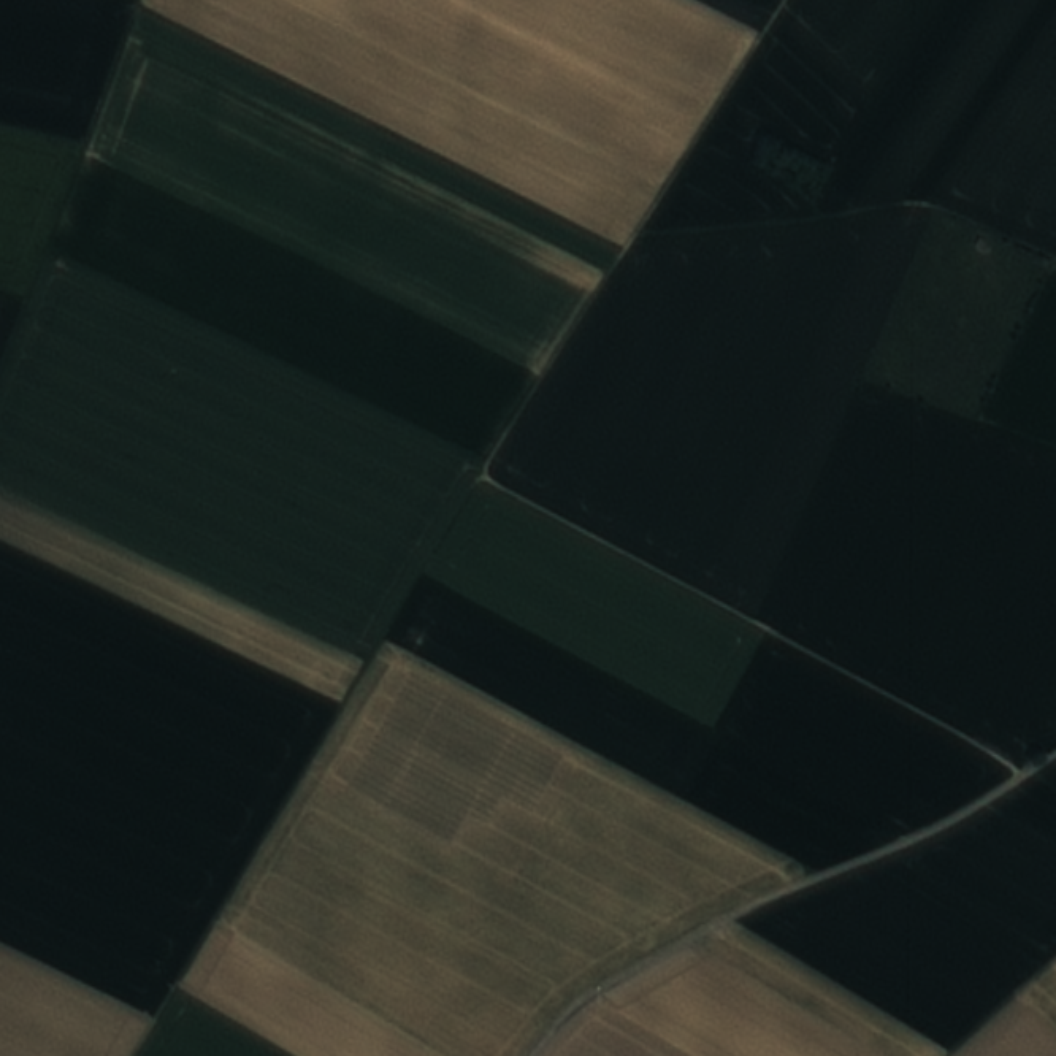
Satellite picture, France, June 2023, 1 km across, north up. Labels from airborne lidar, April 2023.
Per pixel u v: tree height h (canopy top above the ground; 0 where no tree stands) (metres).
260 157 0
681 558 0
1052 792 0
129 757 0
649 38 0
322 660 0
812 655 0
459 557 0
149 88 0
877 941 0
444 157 0
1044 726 0
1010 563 0
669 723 0
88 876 0
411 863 0
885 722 0
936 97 0
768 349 0
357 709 0
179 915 0
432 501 0
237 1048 0
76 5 0
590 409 0
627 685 0
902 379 0
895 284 0
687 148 0
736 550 0
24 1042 0
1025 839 0
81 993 0
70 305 0
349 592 0
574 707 0
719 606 0
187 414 0
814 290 0
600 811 0
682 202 0
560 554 0
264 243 0
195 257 0
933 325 0
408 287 0
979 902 0
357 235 0
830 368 0
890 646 0
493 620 0
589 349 0
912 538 0
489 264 0
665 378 0
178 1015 0
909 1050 0
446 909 0
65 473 0
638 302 0
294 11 0
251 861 0
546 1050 0
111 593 0
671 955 0
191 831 0
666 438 0
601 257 0
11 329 0
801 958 0
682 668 0
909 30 0
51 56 0
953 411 0
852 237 0
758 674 0
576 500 0
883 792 0
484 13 0
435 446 0
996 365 0
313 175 0
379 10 0
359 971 0
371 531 0
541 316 0
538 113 0
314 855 0
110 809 0
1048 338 0
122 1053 0
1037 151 0
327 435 0
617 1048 0
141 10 0
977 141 0
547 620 0
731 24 0
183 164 0
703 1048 0
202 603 0
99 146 0
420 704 0
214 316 0
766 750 0
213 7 0
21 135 0
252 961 0
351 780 0
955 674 0
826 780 0
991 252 0
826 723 0
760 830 0
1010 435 0
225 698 0
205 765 0
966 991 0
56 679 0
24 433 0
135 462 0
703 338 0
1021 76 0
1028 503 0
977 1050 0
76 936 0
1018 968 0
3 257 0
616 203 0
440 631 0
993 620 0
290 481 0
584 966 0
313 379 0
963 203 0
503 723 0
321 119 0
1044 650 0
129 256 0
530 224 0
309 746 0
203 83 0
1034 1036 0
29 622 0
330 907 0
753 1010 0
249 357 0
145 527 0
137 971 0
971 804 0
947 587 0
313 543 0
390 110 0
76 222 0
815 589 0
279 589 0
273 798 0
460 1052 0
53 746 0
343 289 0
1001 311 0
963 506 0
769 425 0
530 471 0
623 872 0
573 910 0
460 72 0
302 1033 0
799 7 0
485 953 0
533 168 0
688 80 0
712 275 0
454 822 0
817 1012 0
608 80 0
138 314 0
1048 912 0
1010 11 0
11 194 0
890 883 0
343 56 0
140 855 0
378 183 0
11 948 0
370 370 0
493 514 0
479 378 0
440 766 0
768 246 0
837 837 0
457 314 0
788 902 0
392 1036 0
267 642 0
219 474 0
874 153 0
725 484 0
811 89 0
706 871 0
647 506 0
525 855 0
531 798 0
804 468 0
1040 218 0
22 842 0
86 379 0
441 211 0
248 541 0
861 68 0
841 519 0
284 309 0
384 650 0
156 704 0
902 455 0
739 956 0
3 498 0
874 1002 0
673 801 0
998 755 0
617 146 0
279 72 0
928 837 0
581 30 0
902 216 0
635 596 0
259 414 0
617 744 0
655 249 0
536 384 0
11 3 0
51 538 0
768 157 10
